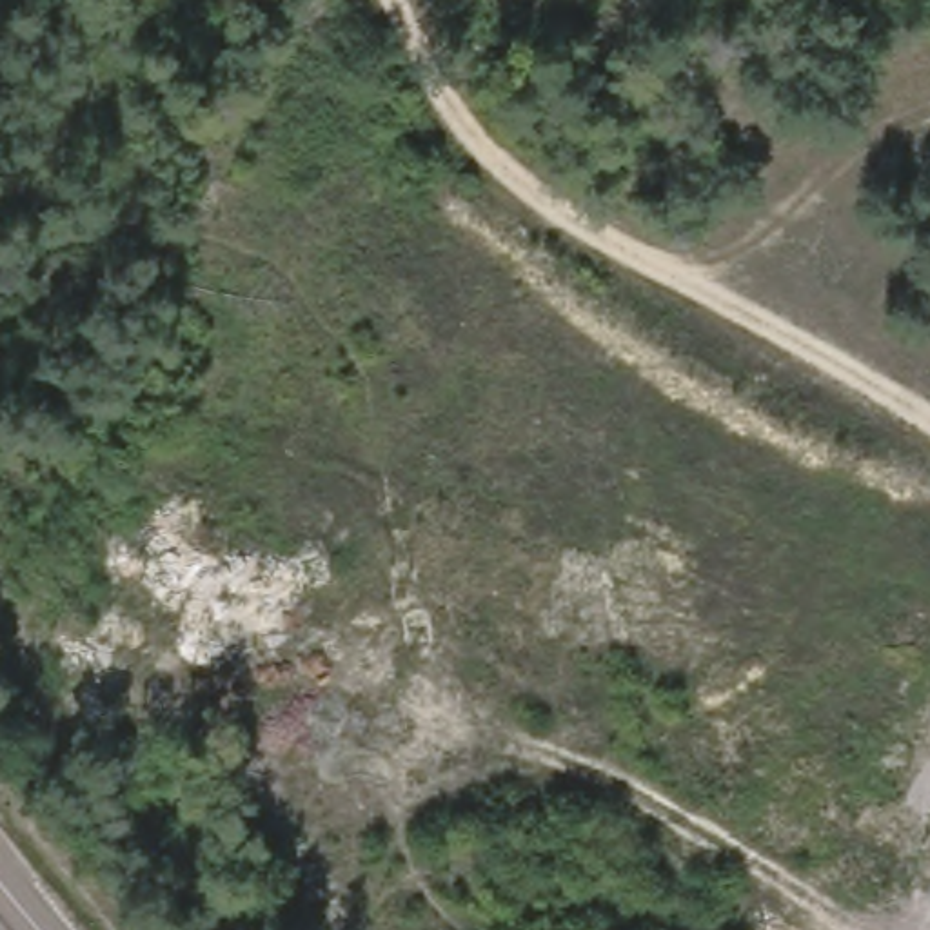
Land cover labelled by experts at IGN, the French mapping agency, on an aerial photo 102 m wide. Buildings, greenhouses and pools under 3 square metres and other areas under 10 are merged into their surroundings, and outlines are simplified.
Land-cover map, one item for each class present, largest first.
<instances>
[{"label":"herbaceous vegetation","instance_id":"1","mask_svg":"<svg viewBox=\"0 0 930 930\"><path fill-rule=\"evenodd\" d=\"M865 185L868 193L883 196L890 211L905 207L912 196L930 200V29L890 33V51L883 54L879 69V94L876 105L861 116V124L846 131H825L821 138H810L806 131H799L796 138H781L770 149V160L763 163L759 178L741 189L727 185L716 203L665 196L668 214L650 218V211L632 196L625 200L614 189L596 193V182H589L581 167L563 174L549 189L556 200L574 203V211H581L592 225L621 229L632 240L705 265L712 280L737 291L741 298L792 320L796 327L839 345L843 352L857 356L861 363L930 400V352H901L886 338V283L890 272H897V265L915 247V236H872L868 214H857V193ZM407 149H414L425 160H440L450 174L447 182H436V200L418 214L392 207L389 193L381 189V178H367V171L356 160H323L320 196L302 207L283 203L276 189L258 185L247 174V163H254L258 156L251 149H240V131L218 138L207 149V189L196 207V233L203 247L185 243L189 291L214 309V327L207 341L211 371L203 374V381L218 389L222 400L200 403L196 414H185L182 407H131L116 421L91 418V425L80 429V436H65L51 414H29L18 432H7L0 440V599L15 610L18 639L36 647L44 665L40 683L65 716L76 712V683L84 668H124L131 672L127 716L145 719V679L153 672L182 668L185 661L178 647L182 618L167 610L142 581L113 574L105 567V559L124 545L134 559H149L153 512L167 501L200 505V530L193 545L196 552L287 559L302 549H320L331 559V581L323 589L294 592L280 628L247 632L243 639L251 679L258 683L254 712L262 727V752L258 759H251L247 774H272V796L283 799L291 810H302L309 839L352 821L367 828L374 817H407L418 803L440 792H458L469 781H487L501 770L538 774L541 767L505 756V745L519 727L538 737H552L556 745L632 767L639 777H647L672 799L694 806L698 814H708L767 857L806 876L821 894H828L846 912H865L886 894L930 890V814H915L905 803V796L912 777L919 774V763L930 756V505L890 501L883 490H872L843 472L806 469L763 440L727 432L716 418L679 400H668L654 381L639 378L636 367L607 356L603 345L570 327L552 305H545L541 294H534L516 276L512 262L490 254L476 236L450 225L443 203L458 196L472 207L476 218L498 229L505 240L523 247H545L552 254L556 280L581 298L585 309H592L614 327L632 331L647 345L668 352L679 371L705 381L708 389H730L745 407L767 414L785 432H803L817 443L861 450L879 465H897L908 476L930 480V436L894 418L886 407L825 378L817 367L796 360L774 341L716 316L712 309L676 294L672 287L639 276L610 262L607 254L570 240L567 233L552 229L498 178H490L440 120L436 127L403 134Z\"/></svg>","mask_w":930,"mask_h":930},{"label":"coniferous trees","instance_id":"2","mask_svg":"<svg viewBox=\"0 0 930 930\"><path fill-rule=\"evenodd\" d=\"M331 0H0V440L7 432H18L29 414H51L65 436H80V429L91 425V418L116 421L131 407H182L185 414H196L200 403L222 400L218 389L203 381V374L211 371L207 341L214 327V309L189 291L185 243L203 247L196 233V207L207 189V149L218 138L240 131L251 120H258L262 109L272 105L280 91V62L298 54L334 58L323 36L309 33L316 18H327ZM421 29L429 36V54L436 58L447 87H454L472 109V116L483 124V131L549 189L563 174L581 167L589 182H596V193L614 189L625 200L632 196L650 211V218L668 214L665 196L716 203L727 185L741 189L759 178L763 163L770 160V149L781 138H796L799 131H806L810 138H821L825 131H846L861 124V116L876 105L879 94V69L883 54L890 51V33L930 29V0H414ZM857 214H868L872 236H915V247L897 265V272H890L886 283V338L901 352H930V200L912 196L905 207L890 211L883 196L868 193L865 185L857 193ZM44 665L36 647L18 639L15 610L0 599V850L15 843L84 930H494L490 923L450 919L458 901H469V879L476 865L461 854L450 865L421 868L407 854L414 843L407 836V817H374L367 828L352 821L309 839L302 810H291L283 799L272 796V774H247L251 759H258L262 752V727L254 712L258 683L251 679L243 639H233L229 650L211 658L207 665L185 661L182 668L153 672L145 679V719L127 716L131 672L124 668H84L76 683V712L65 716L40 683ZM687 868L734 876L745 865L737 850H694L690 843L665 832V857L654 865L658 883L683 876ZM785 897L756 883L745 890V901L737 905V915L756 926L763 912H777Z\"/></svg>","mask_w":930,"mask_h":930},{"label":"pervious surface","instance_id":"3","mask_svg":"<svg viewBox=\"0 0 930 930\"><path fill-rule=\"evenodd\" d=\"M378 11L403 22L411 76L425 87L440 120L490 178H498L552 229L567 233L570 240L607 254L610 262L639 276L672 287L676 294L712 309L716 316L774 341L796 360L817 367L825 378L886 407L894 418L930 436V400L861 363L857 356L843 352L839 345L796 327L792 320L741 298L737 291L712 280L705 265L632 240L621 229L592 225L581 211H574V203L556 200L549 189L483 131V124L472 116V109L454 87H447L436 58L429 54V36L421 29L414 0H378ZM200 530V505L167 501L153 512L149 559H134L124 545L105 559V567L113 574L142 581L167 610L182 618L178 647L185 661L207 665L211 658L229 650L233 639H243L247 632L280 628L294 592L323 589L331 581V559L320 549H302L287 559L196 552L193 545ZM505 756L541 767H585L628 785L636 806L658 817L665 832L690 843L694 850H737L745 865L756 883L785 897L777 912H763L756 926V930H930V890L886 894L865 912H846L828 894H821L806 876L767 857L708 814H698L694 806L672 799L647 777H639L632 767L556 745L552 737H538L519 727L505 745ZM905 803L915 814H930V756L919 763V774L912 777L905 796Z\"/></svg>","mask_w":930,"mask_h":930},{"label":"deciduous trees","instance_id":"4","mask_svg":"<svg viewBox=\"0 0 930 930\"><path fill-rule=\"evenodd\" d=\"M407 836L414 843L407 854L421 868L450 865L461 854L476 865L469 879V901H458L450 919L490 923L494 930H756V926L737 915V905L745 901V890L756 883L745 865L734 876L687 868L683 876L658 883L654 865L665 857V832L658 817L636 806L628 785L585 767H541L538 774L501 770L487 781H469L458 792H440L418 803L407 817Z\"/></svg>","mask_w":930,"mask_h":930},{"label":"brushwood","instance_id":"5","mask_svg":"<svg viewBox=\"0 0 930 930\"><path fill-rule=\"evenodd\" d=\"M309 33L323 36L334 58L298 54L280 62V91L272 105L262 109L258 120H251L240 131V149H251L258 156L254 163H247V174L258 185L276 189L283 203L302 207L320 196L323 160H356L367 171V178H381V189L389 193L392 207L418 214L436 200V182H447L450 174L440 160H425L414 149H407L403 134L436 127L440 120L425 87L411 76L403 22L378 11V0H331L327 18H316Z\"/></svg>","mask_w":930,"mask_h":930},{"label":"bare soil","instance_id":"6","mask_svg":"<svg viewBox=\"0 0 930 930\"><path fill-rule=\"evenodd\" d=\"M450 225L476 236L490 254L512 262L516 276L534 294H541L545 305H552L570 327L603 345L607 356L636 367L639 378L654 381L668 400H679L716 418L727 432L763 440L806 469L843 472L872 490H883L890 501L930 505V480L908 476L897 465H879L861 450L817 443L803 432H785L767 414L745 407L730 389H708L705 381L679 371L668 352L647 345L632 331L614 327L592 309H585L581 298L556 280L552 254L545 247H523L505 240L498 229L476 218L472 207L458 196L443 203Z\"/></svg>","mask_w":930,"mask_h":930},{"label":"impervious surface","instance_id":"7","mask_svg":"<svg viewBox=\"0 0 930 930\"><path fill-rule=\"evenodd\" d=\"M0 930H84L15 843L0 850Z\"/></svg>","mask_w":930,"mask_h":930}]
</instances>
